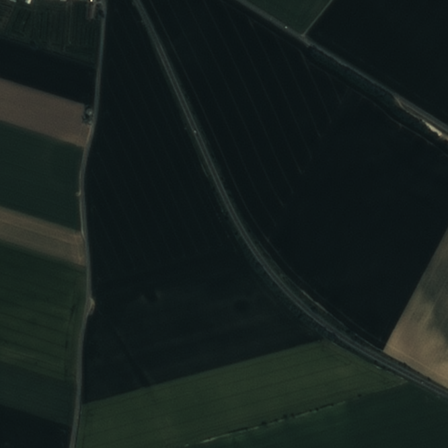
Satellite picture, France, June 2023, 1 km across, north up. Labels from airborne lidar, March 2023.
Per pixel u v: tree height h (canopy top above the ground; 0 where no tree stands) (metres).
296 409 0
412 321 0
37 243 0
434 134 13
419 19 0
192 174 0
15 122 0
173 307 0
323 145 0
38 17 0
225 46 0
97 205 0
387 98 17
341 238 0
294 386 0
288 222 0
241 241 8
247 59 0
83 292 0
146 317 0
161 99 0
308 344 0
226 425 0
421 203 0
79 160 0
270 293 0
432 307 0
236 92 0
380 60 0
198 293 0
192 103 0
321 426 0
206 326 0
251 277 0
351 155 0
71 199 0
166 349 0
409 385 0
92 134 0
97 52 0
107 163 0
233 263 0
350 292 0
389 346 0
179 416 0
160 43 0
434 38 0
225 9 0
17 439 0
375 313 0
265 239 0
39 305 0
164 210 0
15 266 0
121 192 0
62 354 0
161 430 0
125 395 0
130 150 0
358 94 0
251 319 0
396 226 0
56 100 0
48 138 0
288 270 0
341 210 0
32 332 0
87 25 0
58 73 0
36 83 0
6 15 0
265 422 10
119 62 0
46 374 0
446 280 0
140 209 0
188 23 0
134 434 0
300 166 0
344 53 0
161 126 0
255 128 0
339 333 0
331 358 0
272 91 0
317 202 0
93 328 0
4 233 0
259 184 0
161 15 0
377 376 0
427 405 0
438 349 0
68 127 0
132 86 0
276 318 0
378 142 0
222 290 0
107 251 0
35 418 0
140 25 0
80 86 0
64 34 0
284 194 0
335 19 0
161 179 0
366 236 0
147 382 0
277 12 0
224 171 0
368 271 0
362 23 0
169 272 0
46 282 0
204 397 0
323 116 0
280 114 0
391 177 0
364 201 0
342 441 0
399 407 0
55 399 0
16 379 0
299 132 0
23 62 0
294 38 0
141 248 0
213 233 0
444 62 0
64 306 0
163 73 0
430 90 0
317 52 17
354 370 0
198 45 0
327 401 0
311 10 0
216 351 0
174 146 0
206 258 0
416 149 0
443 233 0
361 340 8
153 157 0
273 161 0
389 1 0
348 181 0
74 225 0
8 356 0
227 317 0
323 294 0
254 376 0
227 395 0
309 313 0
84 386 0
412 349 0
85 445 0
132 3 0
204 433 0
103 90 0
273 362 0
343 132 0
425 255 0
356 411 0
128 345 0
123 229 0
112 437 0
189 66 0
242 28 0
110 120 0
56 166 0
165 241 0
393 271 0
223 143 0
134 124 0
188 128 0
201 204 0
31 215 0
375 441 0
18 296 0
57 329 0
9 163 0
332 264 0
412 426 0
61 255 0
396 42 0
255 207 0
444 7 0
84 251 0
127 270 0
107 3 0
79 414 0
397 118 0
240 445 0
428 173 0
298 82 0
